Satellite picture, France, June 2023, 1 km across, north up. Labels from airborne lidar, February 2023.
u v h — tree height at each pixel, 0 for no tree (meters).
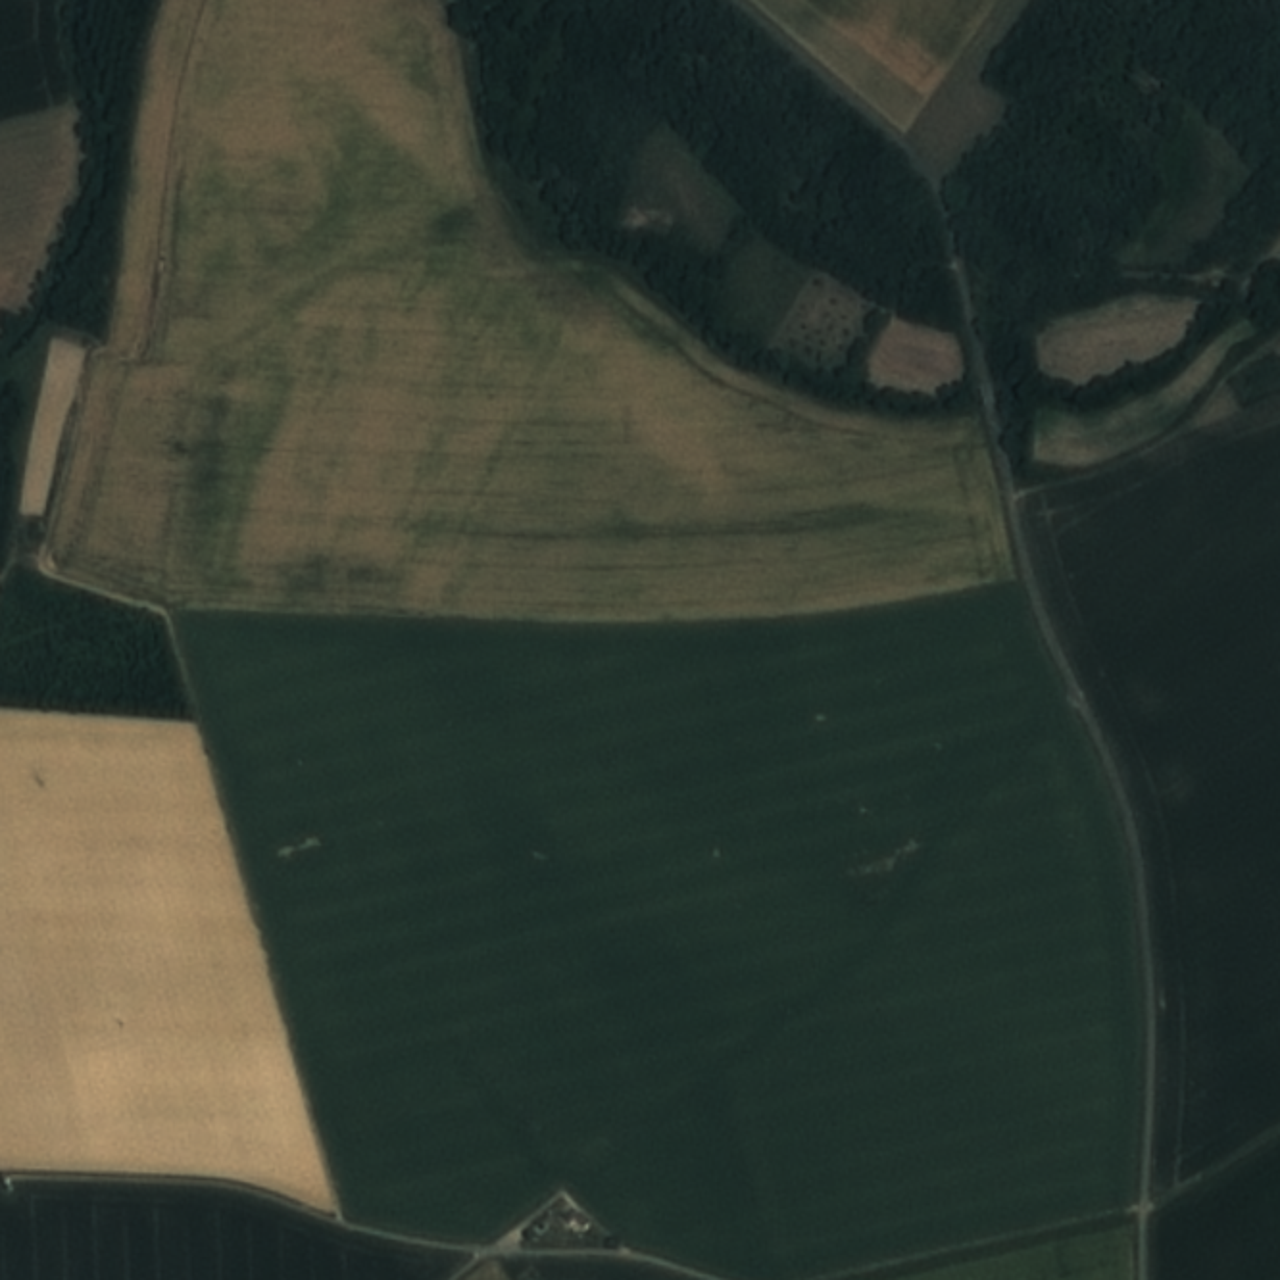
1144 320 0
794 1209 0
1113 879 0
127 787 0
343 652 0
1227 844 0
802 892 0
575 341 0
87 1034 0
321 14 0
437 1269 0
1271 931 0
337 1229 0
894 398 11
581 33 13
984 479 0
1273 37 8
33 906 0
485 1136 0
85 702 5
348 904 0
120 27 21
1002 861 0
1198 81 20
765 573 0
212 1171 0
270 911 0
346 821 0
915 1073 0
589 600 0
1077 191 17
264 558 0
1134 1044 0
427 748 0
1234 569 0
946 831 0
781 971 0
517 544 0
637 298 0
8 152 0
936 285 19
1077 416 0
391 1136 0
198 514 0
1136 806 0
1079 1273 0
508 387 0
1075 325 0
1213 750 0
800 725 0
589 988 0
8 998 0
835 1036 0
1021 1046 0
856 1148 0
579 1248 0
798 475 0
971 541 0
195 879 0
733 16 15
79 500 0
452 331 0
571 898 0
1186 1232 0
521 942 0
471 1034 0
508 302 0
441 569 0
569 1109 0
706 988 0
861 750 0
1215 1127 0
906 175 15
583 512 0
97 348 0
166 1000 0
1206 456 0
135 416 0
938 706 0
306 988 0
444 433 0
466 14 20
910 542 0
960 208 17
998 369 10
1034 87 16
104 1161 0
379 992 0
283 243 0
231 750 0
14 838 0
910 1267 0
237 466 0
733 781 0
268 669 0
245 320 0
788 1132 0
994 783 0
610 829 0
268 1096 0
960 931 0
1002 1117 0
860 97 0
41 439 0
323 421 0
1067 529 0
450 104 0
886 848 0
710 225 0
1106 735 0
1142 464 0
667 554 0
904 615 0
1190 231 0
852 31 0
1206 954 0
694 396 0
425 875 0
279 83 0
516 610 0
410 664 0
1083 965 0
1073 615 0
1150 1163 0
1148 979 0
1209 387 0
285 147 0
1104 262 12
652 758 0
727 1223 0
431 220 0
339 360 0
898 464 0
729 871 0
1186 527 0
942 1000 0
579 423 0
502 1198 0
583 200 13
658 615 0
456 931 0
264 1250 0
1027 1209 0
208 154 0
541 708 0
